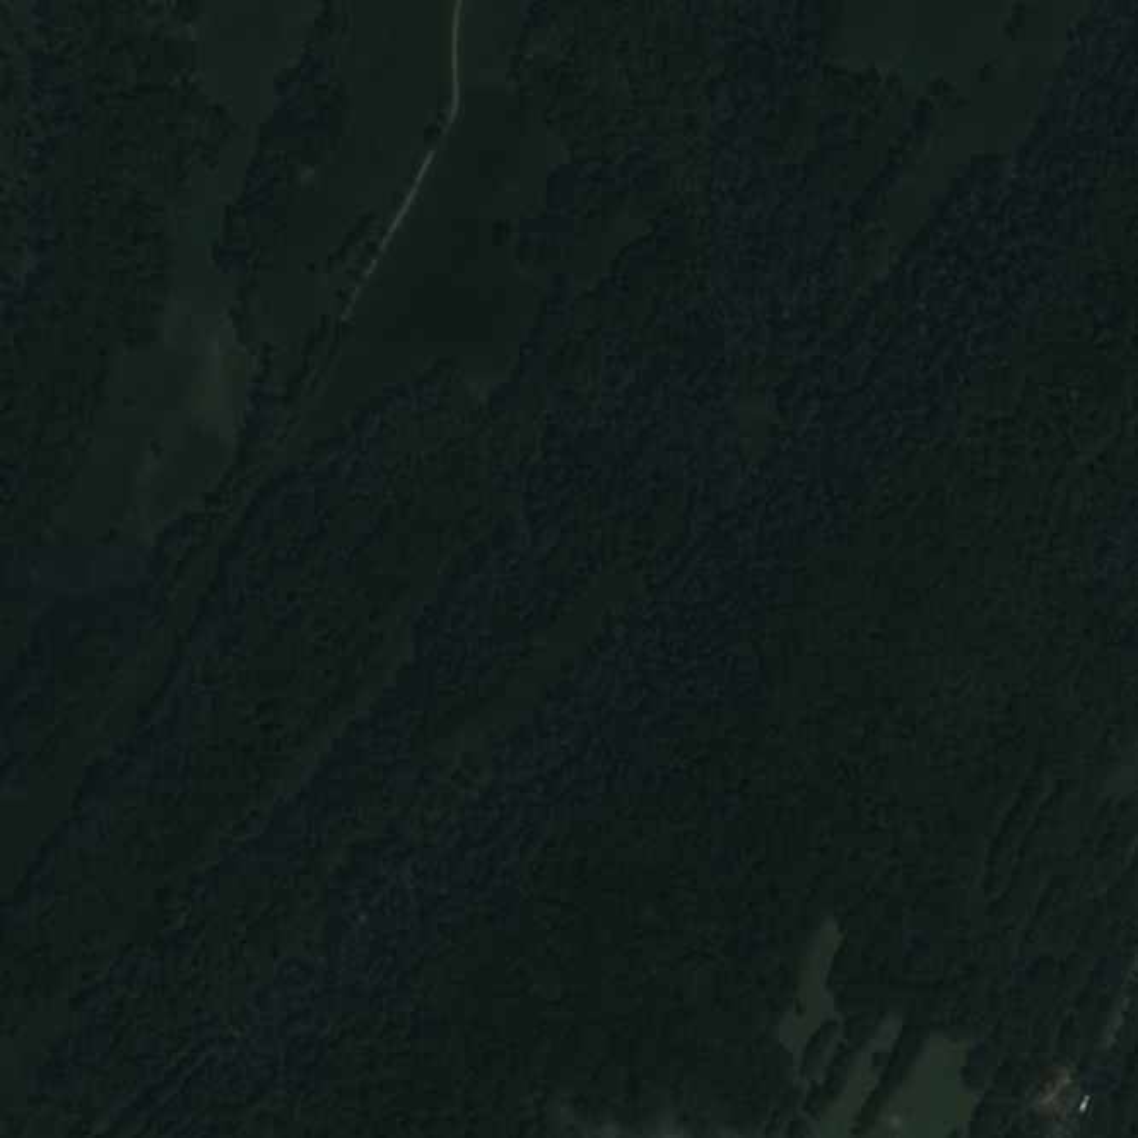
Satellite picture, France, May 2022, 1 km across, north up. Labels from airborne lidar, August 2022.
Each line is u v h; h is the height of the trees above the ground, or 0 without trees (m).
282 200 26
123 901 24
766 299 28
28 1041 0
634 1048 27
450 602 25
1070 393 19
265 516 22
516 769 30
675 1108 10
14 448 24
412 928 31
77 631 25
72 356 24
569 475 27
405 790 25
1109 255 24
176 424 0
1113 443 10
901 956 28
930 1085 0
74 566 0
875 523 23
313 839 19
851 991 21
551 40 20
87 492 0
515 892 22
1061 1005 12
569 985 26
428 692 28
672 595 29
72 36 28
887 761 24
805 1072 7
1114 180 15
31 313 22
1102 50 27
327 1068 24
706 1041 29
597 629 0
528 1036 33
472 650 18
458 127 0
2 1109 0
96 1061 15
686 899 27
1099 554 25
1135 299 25
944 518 19
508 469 24
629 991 29
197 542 14
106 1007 18
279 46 0
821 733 24
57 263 23
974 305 14
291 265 0
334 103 25
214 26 0
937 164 0
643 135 27
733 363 27
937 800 26
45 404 24
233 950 14
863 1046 15
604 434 25
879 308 19
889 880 25
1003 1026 17
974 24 0
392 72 0
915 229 0
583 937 29
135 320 27
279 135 27
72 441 26
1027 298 21
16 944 24
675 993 26
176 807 23
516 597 21
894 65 0
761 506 21
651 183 31
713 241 36
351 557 21
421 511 27
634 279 26
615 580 0
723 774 20
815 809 27
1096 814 9
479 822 24
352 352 0
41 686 26
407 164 0
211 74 0
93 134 30
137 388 0
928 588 22
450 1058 27
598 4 16
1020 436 24
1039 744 19
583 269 0
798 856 26
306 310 0
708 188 32
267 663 24
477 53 0
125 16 25
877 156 0
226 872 26
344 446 23
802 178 11
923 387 15
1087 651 20
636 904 26
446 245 0
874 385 22
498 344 0
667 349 23
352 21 7
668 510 24
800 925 26
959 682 20
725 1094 27
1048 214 9
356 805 23
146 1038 10
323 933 0
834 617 21
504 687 20
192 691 23
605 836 27
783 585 21
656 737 24
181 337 0
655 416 27
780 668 24
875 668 25
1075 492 13
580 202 21
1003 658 18
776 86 29
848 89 16
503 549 24
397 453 30
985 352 17
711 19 27
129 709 0
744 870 27
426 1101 29
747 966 27
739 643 21
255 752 25
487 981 26
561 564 23
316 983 27
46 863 23
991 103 0
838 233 26
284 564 22
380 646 20
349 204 0
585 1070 25
